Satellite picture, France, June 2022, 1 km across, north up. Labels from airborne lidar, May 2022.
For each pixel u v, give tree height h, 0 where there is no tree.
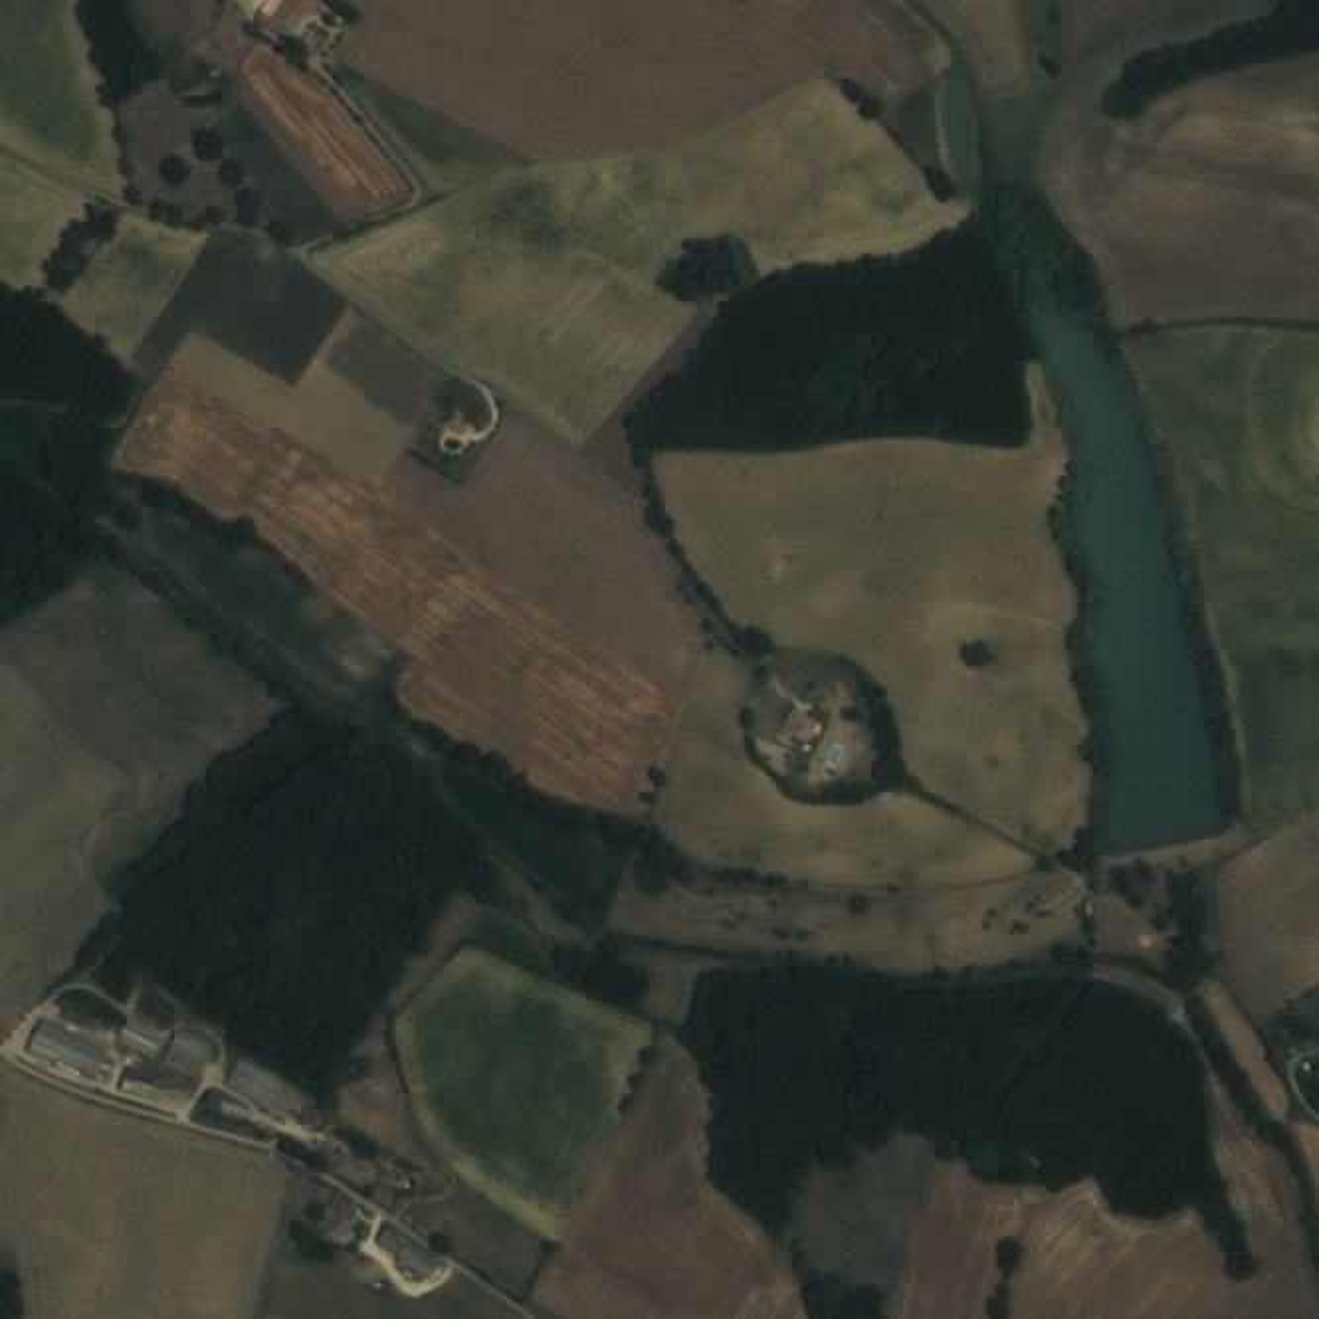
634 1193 0
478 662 0
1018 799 0
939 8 0
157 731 0
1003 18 0
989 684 0
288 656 0
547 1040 0
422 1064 0
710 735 0
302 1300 0
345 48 0
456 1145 0
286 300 0
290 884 29
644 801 12
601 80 0
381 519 0
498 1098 0
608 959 5
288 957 24
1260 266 0
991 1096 16
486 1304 0
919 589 0
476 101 0
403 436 0
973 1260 0
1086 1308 0
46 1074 0
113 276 0
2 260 0
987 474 0
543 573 0
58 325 8
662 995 0
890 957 0
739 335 15
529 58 0
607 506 0
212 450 0
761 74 0
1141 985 0
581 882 0
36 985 0
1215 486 0
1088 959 16
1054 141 0
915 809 0
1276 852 0
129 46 17
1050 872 8
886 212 0
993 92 0
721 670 0
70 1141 0
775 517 0
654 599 0
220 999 24
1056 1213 0
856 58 0
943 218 0
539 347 0
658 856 15
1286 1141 16
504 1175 0
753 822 0
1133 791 0
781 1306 0
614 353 0
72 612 0
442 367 0
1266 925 0
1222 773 14
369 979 10
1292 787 0
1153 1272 0
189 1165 0
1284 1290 0
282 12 0
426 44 0
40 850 0
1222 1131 0
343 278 0
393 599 0
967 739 0
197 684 0
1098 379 0
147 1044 0
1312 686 0
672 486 0
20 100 0
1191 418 0
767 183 0
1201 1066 16
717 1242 0
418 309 0
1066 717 0
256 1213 0
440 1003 0
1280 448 0
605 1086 0
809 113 0
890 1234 0
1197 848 0
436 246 0
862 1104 25
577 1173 0
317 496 0
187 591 0
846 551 0
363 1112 0
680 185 0
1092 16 0
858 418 15
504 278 0
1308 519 0
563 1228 0
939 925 0
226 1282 0
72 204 0
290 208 0
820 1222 0
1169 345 0
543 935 0
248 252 0
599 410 0
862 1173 0
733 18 0
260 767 18
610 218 0
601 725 0
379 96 0
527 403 0
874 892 0
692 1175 0
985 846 0
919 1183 0
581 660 0
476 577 0
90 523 11
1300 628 0
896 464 0
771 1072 22
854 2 0
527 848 0
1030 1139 18
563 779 0
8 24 0
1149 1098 16
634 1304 0
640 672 0
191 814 14
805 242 0
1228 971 0
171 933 12
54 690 0
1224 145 0
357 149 0
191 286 0
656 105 0
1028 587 0
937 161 0
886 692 9
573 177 0
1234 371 0
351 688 0
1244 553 0
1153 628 0
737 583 0
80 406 13
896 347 14
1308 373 0
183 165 13
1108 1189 12
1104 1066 15
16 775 0
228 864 18
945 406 14
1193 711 0
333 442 0
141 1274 0
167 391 0
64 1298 0
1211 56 16
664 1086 0
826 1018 28
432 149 0
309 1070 16
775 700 0
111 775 0
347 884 24
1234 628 0
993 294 14
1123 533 0
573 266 0
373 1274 0
